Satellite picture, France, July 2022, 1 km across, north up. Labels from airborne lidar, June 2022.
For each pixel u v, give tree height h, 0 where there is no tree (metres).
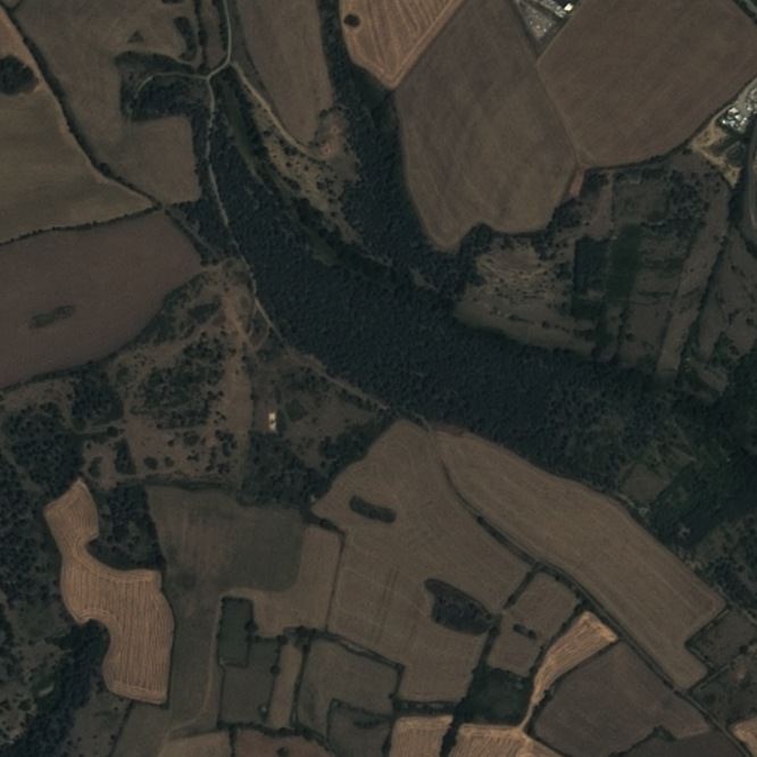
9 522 13
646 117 0
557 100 0
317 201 0
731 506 13
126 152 0
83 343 0
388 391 13
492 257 0
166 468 0
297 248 10
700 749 0
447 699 0
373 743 0
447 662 0
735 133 0
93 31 0
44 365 0
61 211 0
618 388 6
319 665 0
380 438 0
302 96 0
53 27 0
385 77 0
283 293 11
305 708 0
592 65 0
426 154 0
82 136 11
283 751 8
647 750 0
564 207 9
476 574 0
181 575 0
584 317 8
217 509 0
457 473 0
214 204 11
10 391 0
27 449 14
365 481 0
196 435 0
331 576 0
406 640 0
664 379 0
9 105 0
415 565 0
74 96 0
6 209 0
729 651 0
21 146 0
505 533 0
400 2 0
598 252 18
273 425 0
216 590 0
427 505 0
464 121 0
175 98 11
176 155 0
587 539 0
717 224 0
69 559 0
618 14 0
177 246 0
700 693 0
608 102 0
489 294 0
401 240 18
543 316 0
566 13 0
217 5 10
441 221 0
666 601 0
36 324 0
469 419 14
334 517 0
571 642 0
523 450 11
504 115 0
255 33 0
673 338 0
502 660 0
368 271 15
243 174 13
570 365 17
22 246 0
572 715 0
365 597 0
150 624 0
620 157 0
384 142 16
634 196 0
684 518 10
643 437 8
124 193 0
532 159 0
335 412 0
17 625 0
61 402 0
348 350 20
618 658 0
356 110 13
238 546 0
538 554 0
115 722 0
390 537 0
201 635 0
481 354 8
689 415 12
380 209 16
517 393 15
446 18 0
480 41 0
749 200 0
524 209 0
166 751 0
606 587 0
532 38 0
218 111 6
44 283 0
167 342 0
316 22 0
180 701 0
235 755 7
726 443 10
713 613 0
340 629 0
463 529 0
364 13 0
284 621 0
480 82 0
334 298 12
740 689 0
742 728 0
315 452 0
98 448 0
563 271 11
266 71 0
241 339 0
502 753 0
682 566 0
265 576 0
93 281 0
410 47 0
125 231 0
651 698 0
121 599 0
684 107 0
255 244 18
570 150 0
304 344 14
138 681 0
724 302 6
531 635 9
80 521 0
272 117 0
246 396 0
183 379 0
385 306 14
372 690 0
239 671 0
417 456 0
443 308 11
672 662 0
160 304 0
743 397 8
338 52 11
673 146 0
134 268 0
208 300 0
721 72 0
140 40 0
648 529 0
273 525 0
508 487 0
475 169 0
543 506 0
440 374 17
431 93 0
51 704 10
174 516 0
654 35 0
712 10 0
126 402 0
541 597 0
